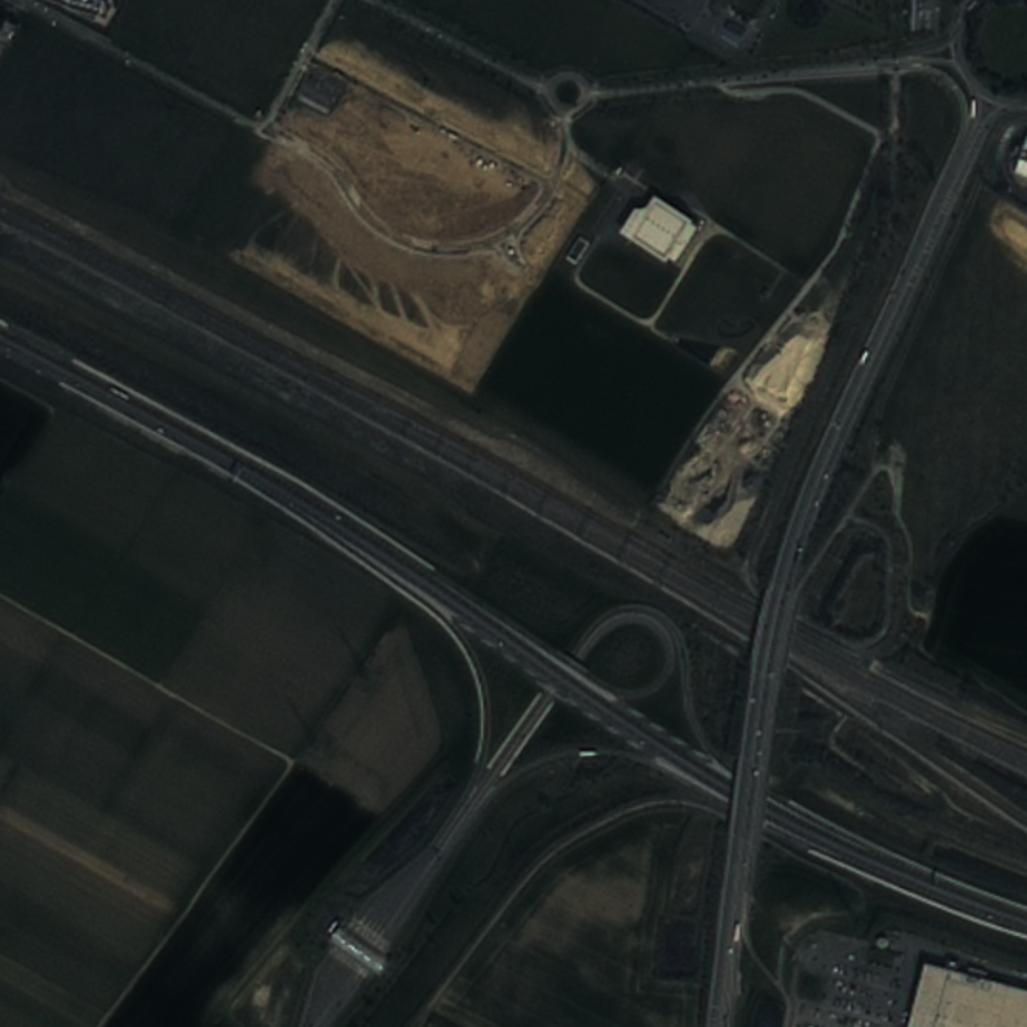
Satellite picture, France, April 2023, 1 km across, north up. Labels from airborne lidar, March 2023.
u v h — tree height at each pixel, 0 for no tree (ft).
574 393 0
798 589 0
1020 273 0
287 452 0
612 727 0
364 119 0
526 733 0
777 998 0
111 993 0
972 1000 0
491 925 0
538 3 0
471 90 0
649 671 0
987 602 0
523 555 0
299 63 0
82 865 0
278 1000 0
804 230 0
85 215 0
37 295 0
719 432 0
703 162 0
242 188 0
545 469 0
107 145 0
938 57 0
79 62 0
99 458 0
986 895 0
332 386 0
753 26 0
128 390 0
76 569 0
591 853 0
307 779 0
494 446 0
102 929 0
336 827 0
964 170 0
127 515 0
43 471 0
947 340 0
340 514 0
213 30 0
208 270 0
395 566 0
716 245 0
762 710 0
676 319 0
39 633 0
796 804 0
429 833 0
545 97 0
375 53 0
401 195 0
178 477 0
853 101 0
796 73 0
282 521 0
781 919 0
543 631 0
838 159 0
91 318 0
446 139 0
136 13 0
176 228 0
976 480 0
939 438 0
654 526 0
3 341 0
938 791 0
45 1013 0
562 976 0
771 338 0
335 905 0
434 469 0
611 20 0
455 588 0
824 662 0
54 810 0
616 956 0
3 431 0
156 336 0
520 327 0
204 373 0
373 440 0
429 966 0
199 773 0
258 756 0
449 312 0
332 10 0
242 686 0
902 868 0
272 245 0
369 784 0
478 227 0
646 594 0
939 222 0
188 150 0
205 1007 0
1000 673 0
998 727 0
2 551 0
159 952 0
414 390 0
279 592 0
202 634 0
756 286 0
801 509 0
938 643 0
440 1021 0
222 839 0
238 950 0
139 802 0
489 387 0
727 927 0
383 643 0
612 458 0
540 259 0
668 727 0
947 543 23
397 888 0
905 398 0
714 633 0
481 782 0
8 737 0
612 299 0
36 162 0
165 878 0
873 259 35
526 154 0
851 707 0
